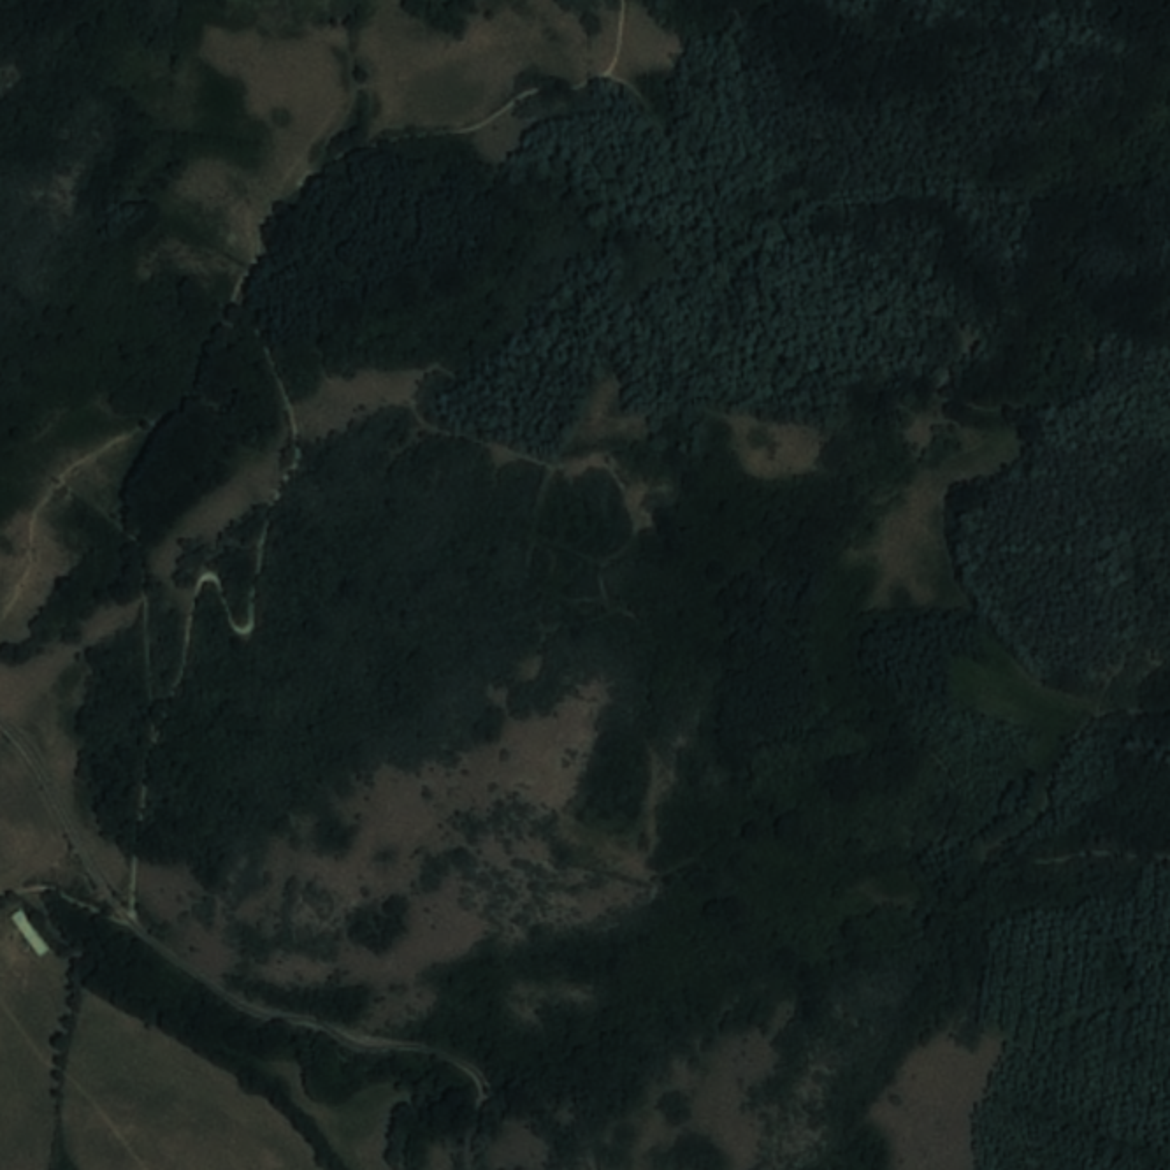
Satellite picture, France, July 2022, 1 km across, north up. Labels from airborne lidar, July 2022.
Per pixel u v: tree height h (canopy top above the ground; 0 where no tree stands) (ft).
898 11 45
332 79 0
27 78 24
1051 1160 53
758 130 60
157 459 79
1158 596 55
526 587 18
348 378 23
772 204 76
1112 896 25
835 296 69
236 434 26
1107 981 38
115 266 22
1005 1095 31
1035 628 56
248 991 21
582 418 27
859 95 52
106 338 25
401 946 0
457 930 0
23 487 0
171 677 33
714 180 66
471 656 20
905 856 24
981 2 52
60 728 0
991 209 53
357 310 50
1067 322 22
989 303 57
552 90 24
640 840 0
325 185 73
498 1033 23
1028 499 46
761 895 27
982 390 46
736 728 85
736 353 56
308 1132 74
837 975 29
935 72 47
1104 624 64
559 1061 31
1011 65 46
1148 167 39
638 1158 0
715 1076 0
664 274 20
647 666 20
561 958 25
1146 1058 43
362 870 0
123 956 45
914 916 28
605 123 61
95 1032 0
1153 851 32
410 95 0
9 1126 0
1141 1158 55
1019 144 38
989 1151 40
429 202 63
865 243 53
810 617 37
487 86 0
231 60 0
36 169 18
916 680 88
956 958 47
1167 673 41
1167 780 41
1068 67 33
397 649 18
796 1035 17
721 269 88
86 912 27
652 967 28
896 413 27
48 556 0
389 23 0
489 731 18
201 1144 0
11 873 0
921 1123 0
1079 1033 45
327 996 30
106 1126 0
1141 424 60
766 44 62
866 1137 34
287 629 22
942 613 29
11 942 0
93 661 36
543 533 0
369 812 0
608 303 62
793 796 40
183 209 0
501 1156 0
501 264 21
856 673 34
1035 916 51
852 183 62
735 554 30
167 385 27
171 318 27
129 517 64
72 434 0
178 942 0
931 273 56
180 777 24
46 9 43
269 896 0
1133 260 60
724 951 31
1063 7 51
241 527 33
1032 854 34
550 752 0
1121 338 34
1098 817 49
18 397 27
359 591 35
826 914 26
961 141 54
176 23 31
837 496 29
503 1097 29
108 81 27
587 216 46
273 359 23
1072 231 53
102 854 0
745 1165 0
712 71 70
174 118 0
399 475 21
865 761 47
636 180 65
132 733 27
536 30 0
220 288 0
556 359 58
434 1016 28
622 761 22
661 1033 18
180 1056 0
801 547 62
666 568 26
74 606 23
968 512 54
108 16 58
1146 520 57
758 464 0
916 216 60
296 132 0
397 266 59
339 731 18
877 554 0
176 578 27
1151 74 36
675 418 28
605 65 0
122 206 64
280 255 59
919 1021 28
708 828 22
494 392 52
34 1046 0
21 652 38
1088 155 38
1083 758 37
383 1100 0
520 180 59
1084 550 52
